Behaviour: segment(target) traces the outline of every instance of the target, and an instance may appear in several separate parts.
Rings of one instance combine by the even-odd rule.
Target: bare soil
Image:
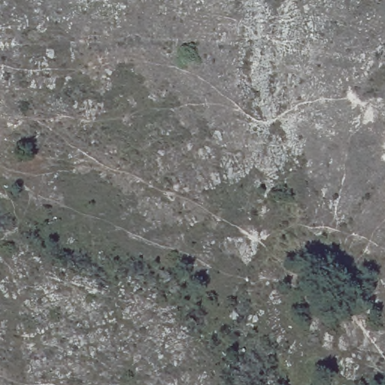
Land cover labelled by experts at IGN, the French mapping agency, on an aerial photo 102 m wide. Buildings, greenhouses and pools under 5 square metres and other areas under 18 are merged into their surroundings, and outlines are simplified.
[[[182,256],[183,263],[194,263],[194,268],[199,271],[196,277],[205,286],[209,284],[206,269],[211,268],[212,263],[217,260],[212,254],[214,239],[203,242],[202,253],[196,259]]]
[[[385,353],[385,326],[379,331],[368,331],[365,319],[370,316],[370,308],[341,325],[343,331],[338,340],[338,347],[341,350],[346,350],[349,346],[359,349],[361,344],[367,347],[367,344],[371,343],[377,353]]]
[[[9,268],[5,277],[0,280],[0,385],[119,385],[123,370],[149,374],[147,385],[220,385],[218,380],[215,380],[214,370],[217,370],[217,367],[214,359],[205,349],[203,340],[192,341],[191,335],[188,335],[188,328],[180,326],[174,320],[176,307],[161,307],[156,304],[156,293],[147,295],[147,298],[140,298],[137,290],[140,286],[132,277],[126,277],[132,286],[128,292],[122,281],[117,283],[117,286],[110,283],[110,286],[98,289],[96,280],[89,280],[80,275],[75,275],[72,280],[65,280],[59,277],[60,272],[65,271],[62,263],[51,265],[48,260],[36,256],[33,248],[26,242],[18,248],[18,253],[12,256],[14,268]]]
[[[268,359],[263,361],[259,350],[250,352],[239,349],[239,343],[233,343],[227,352],[235,352],[235,361],[239,361],[239,368],[236,371],[238,376],[260,383],[274,383],[277,380],[281,385],[290,385],[289,379],[284,379],[278,373],[277,355],[268,355]]]
[[[268,238],[268,233],[242,227],[239,230],[239,238],[224,239],[224,254],[236,254],[241,256],[245,263],[250,263],[257,253],[257,245]]]
[[[144,220],[150,223],[146,229],[141,227],[138,233],[128,232],[129,238],[152,245],[159,250],[179,250],[186,241],[183,233],[162,238],[144,238],[144,233],[152,232],[162,224],[196,226],[197,223],[202,223],[208,214],[212,217],[209,227],[217,229],[221,217],[209,211],[209,196],[203,196],[205,189],[215,189],[218,183],[239,182],[253,168],[257,168],[266,176],[263,179],[254,179],[254,186],[265,189],[263,197],[268,199],[269,192],[274,186],[275,180],[278,179],[277,171],[283,170],[286,161],[299,164],[298,156],[316,129],[317,137],[328,137],[332,141],[338,132],[355,134],[359,126],[373,122],[374,117],[385,116],[385,104],[382,98],[367,98],[362,101],[352,89],[379,71],[385,62],[385,20],[382,15],[371,14],[370,11],[361,17],[353,17],[352,12],[361,0],[0,0],[0,176],[15,180],[17,186],[24,186],[29,200],[33,200],[36,206],[44,205],[50,209],[53,205],[60,208],[65,205],[65,200],[57,189],[56,180],[59,174],[99,171],[105,182],[113,182],[122,188],[123,194],[134,194],[137,197],[138,214],[143,215]],[[179,44],[185,42],[197,42],[202,63],[188,62],[185,68],[174,65]],[[149,99],[152,101],[162,102],[165,96],[171,93],[179,99],[180,105],[171,107],[168,116],[177,117],[180,125],[191,131],[191,138],[188,143],[180,146],[180,150],[171,147],[158,150],[156,164],[159,173],[170,177],[173,182],[173,188],[165,192],[165,197],[170,202],[176,199],[182,202],[183,215],[180,217],[173,214],[173,209],[161,203],[158,197],[144,197],[144,189],[147,186],[153,188],[153,183],[132,174],[128,165],[119,158],[108,161],[108,155],[117,153],[117,147],[111,144],[111,138],[92,135],[92,129],[89,128],[89,123],[95,122],[95,114],[105,113],[104,102],[96,101],[102,93],[111,89],[111,72],[119,63],[134,63],[131,72],[143,75],[144,86],[147,87]],[[18,141],[24,137],[35,137],[38,144],[38,153],[29,159],[29,164],[17,161],[12,155]]]
[[[322,188],[322,196],[317,199],[313,218],[305,229],[316,236],[322,235],[323,232],[338,232],[340,224],[344,223],[349,215],[338,208],[338,192],[328,192]]]
[[[340,359],[338,367],[341,376],[355,380],[356,385],[385,385],[385,373],[376,373],[373,368],[368,367],[367,359]]]

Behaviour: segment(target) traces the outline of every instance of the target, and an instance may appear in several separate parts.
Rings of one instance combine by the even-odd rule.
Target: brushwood
[[[268,199],[271,200],[271,206],[274,206],[278,200],[292,202],[292,197],[295,197],[295,191],[289,188],[287,183],[274,186],[269,192]]]
[[[17,161],[29,164],[29,159],[38,153],[38,144],[35,137],[24,137],[18,141],[12,155]]]
[[[275,284],[275,289],[280,293],[281,304],[284,305],[284,316],[289,319],[287,322],[293,325],[293,329],[310,328],[311,331],[316,331],[319,323],[341,325],[370,308],[370,316],[365,319],[368,331],[379,331],[385,326],[385,256],[356,262],[356,269],[361,274],[350,281],[350,275],[346,269],[334,262],[334,257],[316,257],[308,253],[304,260],[310,265],[302,268],[293,277],[287,275],[284,280]]]
[[[188,62],[202,63],[197,42],[185,42],[179,44],[174,65],[185,68]]]

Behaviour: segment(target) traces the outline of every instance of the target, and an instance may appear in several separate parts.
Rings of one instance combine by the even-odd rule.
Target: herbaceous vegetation
[[[180,105],[179,99],[171,93],[165,96],[162,102],[152,101],[149,99],[147,87],[144,86],[143,75],[131,72],[134,63],[119,63],[111,72],[111,89],[102,93],[96,101],[104,102],[105,113],[95,114],[95,122],[89,123],[89,128],[92,129],[92,135],[111,138],[111,144],[117,147],[117,153],[108,155],[108,161],[119,158],[128,165],[132,174],[153,183],[153,188],[147,186],[144,189],[144,197],[158,197],[161,203],[173,209],[173,214],[180,217],[183,215],[182,202],[176,199],[170,202],[165,197],[165,192],[173,188],[173,182],[170,177],[159,173],[156,164],[158,150],[171,147],[180,150],[180,146],[188,143],[191,138],[191,131],[180,125],[177,117],[168,116],[171,107]]]
[[[379,71],[352,89],[362,101],[367,98],[382,98],[385,104],[385,62]]]
[[[352,12],[353,17],[361,17],[370,11],[371,14],[382,15],[385,20],[385,0],[361,0]]]
[[[119,385],[147,385],[149,374],[123,370]]]
[[[310,328],[293,329],[293,325],[287,322],[289,319],[284,316],[284,305],[281,304],[280,293],[275,289],[275,284],[284,280],[287,275],[293,277],[302,268],[310,265],[304,260],[308,253],[316,257],[334,257],[334,262],[346,269],[350,275],[350,281],[361,274],[356,269],[356,262],[385,256],[385,116],[374,117],[373,122],[359,126],[355,134],[338,132],[332,141],[328,137],[317,137],[316,129],[298,156],[299,164],[286,161],[283,170],[277,171],[278,179],[275,180],[274,186],[287,183],[289,188],[295,191],[295,197],[292,197],[292,202],[278,200],[274,206],[271,206],[271,200],[268,199],[263,197],[265,189],[254,186],[254,179],[263,179],[266,176],[257,168],[253,168],[239,182],[218,183],[215,189],[205,189],[203,196],[209,196],[209,211],[221,217],[217,229],[209,227],[212,217],[208,214],[202,223],[197,223],[196,226],[162,224],[152,232],[144,233],[144,238],[162,238],[183,233],[186,241],[179,250],[159,250],[152,245],[129,238],[128,232],[138,233],[141,227],[146,229],[150,223],[144,220],[143,215],[138,214],[137,197],[134,194],[123,194],[122,188],[113,182],[105,182],[99,171],[59,174],[56,180],[57,189],[65,200],[65,205],[60,208],[53,205],[50,209],[44,205],[36,206],[33,200],[29,200],[24,186],[17,186],[15,180],[0,176],[0,280],[5,277],[9,268],[14,268],[12,256],[18,253],[18,248],[26,242],[33,248],[36,256],[48,260],[51,265],[62,263],[65,271],[60,272],[59,277],[65,280],[72,280],[75,275],[80,275],[89,280],[96,280],[98,289],[110,286],[110,283],[117,286],[117,283],[122,281],[128,292],[132,286],[126,277],[132,277],[140,286],[137,290],[140,298],[147,298],[147,295],[156,293],[156,304],[161,307],[176,307],[174,320],[180,326],[188,328],[188,335],[191,335],[192,341],[203,340],[205,349],[214,359],[217,367],[217,370],[214,370],[215,380],[218,380],[220,385],[281,385],[277,380],[274,383],[260,383],[238,376],[236,371],[239,368],[239,361],[235,361],[235,352],[227,352],[233,343],[239,343],[239,349],[250,352],[259,350],[263,361],[268,359],[268,355],[277,355],[278,373],[284,379],[289,379],[290,385],[356,385],[355,380],[341,376],[338,367],[340,359],[367,359],[368,367],[373,368],[376,373],[385,373],[385,353],[377,353],[371,343],[367,344],[367,347],[361,344],[359,349],[349,346],[346,350],[341,350],[338,347],[338,340],[343,331],[341,325],[319,323],[316,331],[311,331]],[[322,196],[322,188],[328,192],[338,192],[338,208],[349,215],[344,223],[340,224],[338,232],[323,232],[322,235],[316,236],[305,229],[313,218],[317,199]],[[268,238],[257,245],[257,253],[250,263],[245,263],[241,256],[236,254],[224,254],[224,239],[239,238],[239,230],[242,227],[268,233]],[[202,253],[203,242],[214,239],[212,254],[217,260],[212,263],[211,268],[206,269],[209,284],[205,286],[196,277],[199,271],[194,268],[194,263],[183,263],[182,256],[196,259]]]

